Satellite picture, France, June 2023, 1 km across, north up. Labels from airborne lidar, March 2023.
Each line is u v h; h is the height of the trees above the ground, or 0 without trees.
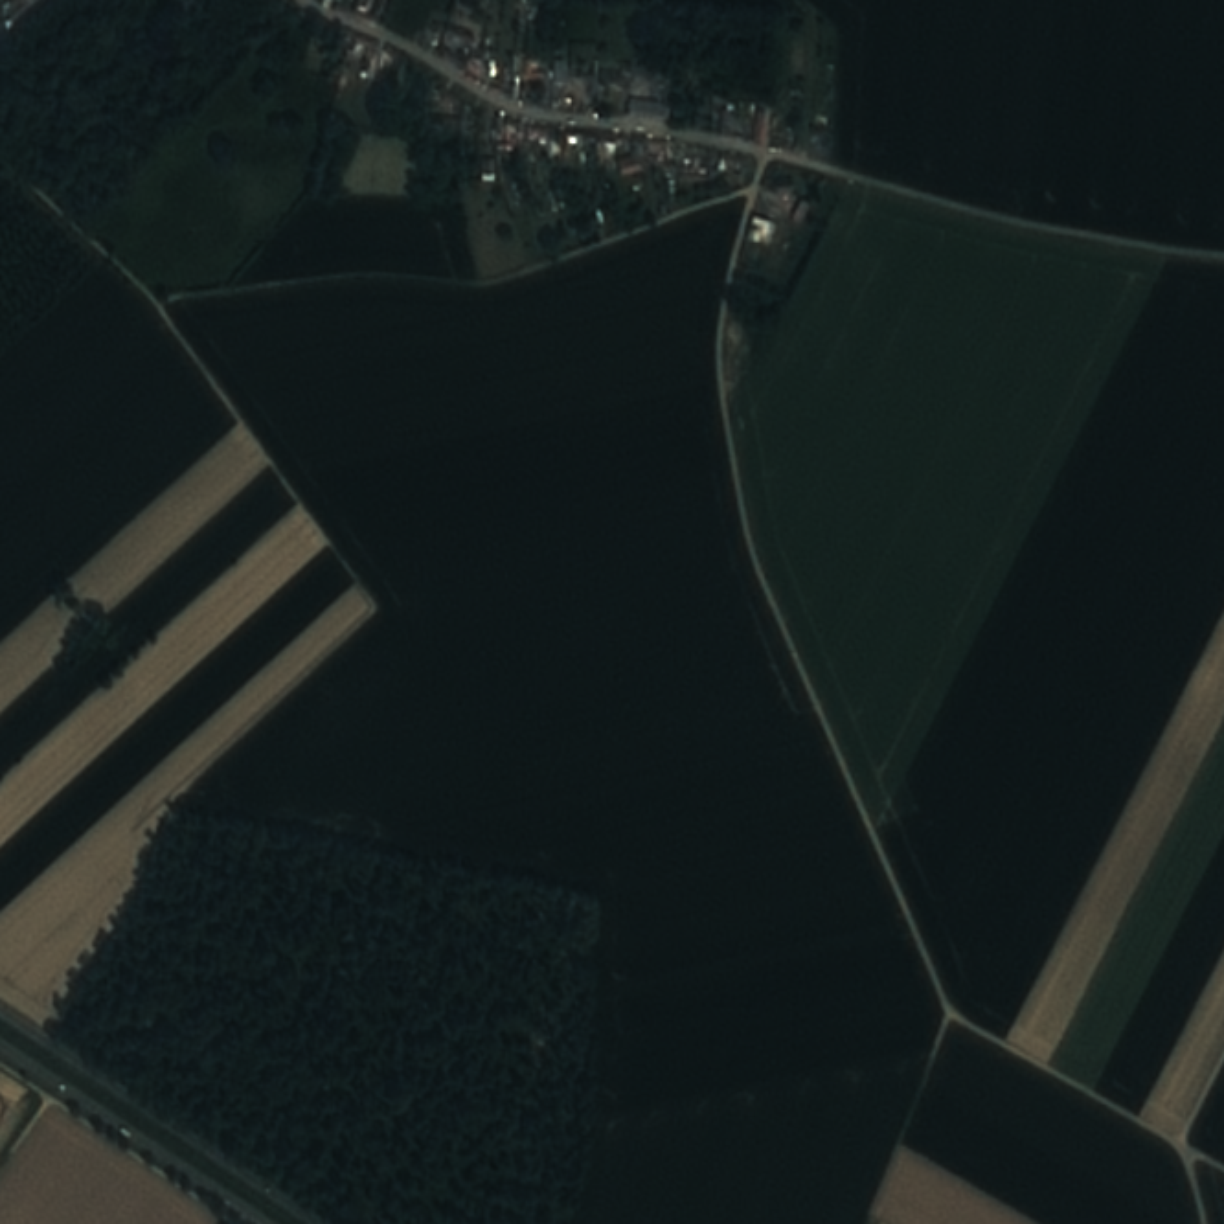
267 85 20
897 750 0
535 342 0
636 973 0
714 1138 0
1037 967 0
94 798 0
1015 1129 0
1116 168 0
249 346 0
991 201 0
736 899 0
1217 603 0
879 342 0
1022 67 0
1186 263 0
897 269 0
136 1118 0
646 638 0
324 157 9
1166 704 0
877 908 0
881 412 0
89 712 0
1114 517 0
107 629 23
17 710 0
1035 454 0
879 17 0
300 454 0
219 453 0
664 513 0
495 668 0
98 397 0
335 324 0
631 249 0
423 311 0
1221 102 0
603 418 0
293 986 15
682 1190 0
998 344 0
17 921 0
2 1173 0
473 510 0
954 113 0
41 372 0
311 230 0
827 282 0
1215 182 0
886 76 0
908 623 0
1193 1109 0
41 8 10
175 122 29
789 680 0
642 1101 0
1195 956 0
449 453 0
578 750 0
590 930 22
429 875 26
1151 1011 0
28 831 0
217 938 20
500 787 0
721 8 19
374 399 0
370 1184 22
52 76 17
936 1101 0
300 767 0
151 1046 21
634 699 0
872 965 0
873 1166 0
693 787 0
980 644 0
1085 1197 0
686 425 0
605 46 6
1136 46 0
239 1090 20
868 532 0
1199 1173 0
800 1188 0
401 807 0
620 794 0
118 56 26
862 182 0
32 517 0
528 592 0
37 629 0
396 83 21
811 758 0
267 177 0
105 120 26
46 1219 0
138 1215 0
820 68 0
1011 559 0
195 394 0
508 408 0
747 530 0
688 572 0
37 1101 0
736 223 0
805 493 0
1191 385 0
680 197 7
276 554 0
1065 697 0
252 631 0
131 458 0
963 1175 0
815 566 0
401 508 0
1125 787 0
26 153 24
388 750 0
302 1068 21
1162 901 0
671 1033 0
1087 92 0
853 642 0
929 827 0
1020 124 0
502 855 0
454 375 0
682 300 0
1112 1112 0
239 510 0
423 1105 21
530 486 0
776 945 0
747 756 0
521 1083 21
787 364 0
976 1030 0
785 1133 0
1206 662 0
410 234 0
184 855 16
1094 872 0
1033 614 0
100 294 0
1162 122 0
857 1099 0
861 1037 0
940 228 0
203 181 0
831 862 0
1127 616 0
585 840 0
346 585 0
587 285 0
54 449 0
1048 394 0
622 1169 0
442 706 0
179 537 0
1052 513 0
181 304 0
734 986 0
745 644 0
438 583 0
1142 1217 0
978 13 0
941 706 0
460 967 6
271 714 0
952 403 0
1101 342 0
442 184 21
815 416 0
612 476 0
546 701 0
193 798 0
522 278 0
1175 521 0
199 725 0
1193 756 0
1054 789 0
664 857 0
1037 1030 0
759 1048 0
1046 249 0
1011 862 0
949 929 0
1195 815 0
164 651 0
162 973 24
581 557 0
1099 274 0
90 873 0
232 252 0
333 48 13
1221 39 0
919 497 0
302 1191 18
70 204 22
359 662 0
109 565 0
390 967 17
